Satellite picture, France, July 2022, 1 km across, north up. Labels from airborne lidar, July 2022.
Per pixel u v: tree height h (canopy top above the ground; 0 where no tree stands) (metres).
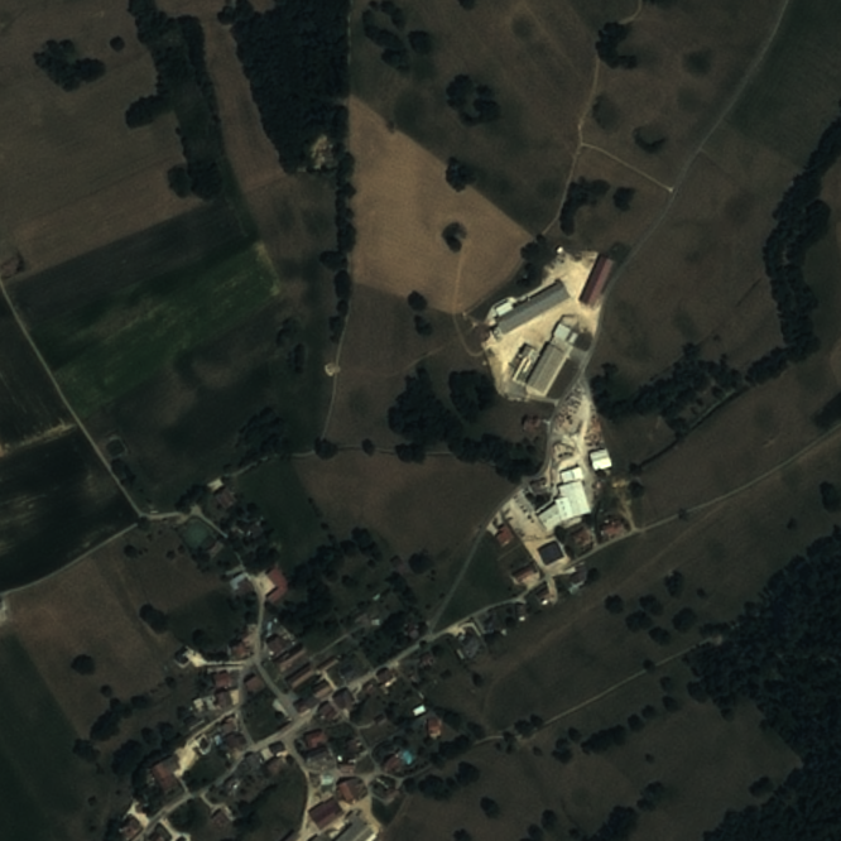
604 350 0
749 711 0
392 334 0
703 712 0
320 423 0
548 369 0
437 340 0
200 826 0
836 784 22
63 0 0
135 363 0
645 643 0
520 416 0
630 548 0
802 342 17
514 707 0
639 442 0
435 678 0
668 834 0
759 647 26
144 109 17
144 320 0
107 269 0
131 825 0
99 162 0
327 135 23
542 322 0
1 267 0
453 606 0
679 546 0
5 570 0
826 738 22
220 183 8
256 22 20
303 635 6
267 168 0
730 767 0
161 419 0
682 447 0
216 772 0
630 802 0
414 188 0
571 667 0
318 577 14
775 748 0
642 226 0
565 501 0
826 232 20
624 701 0
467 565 0
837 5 0
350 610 0
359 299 0
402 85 0
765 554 0
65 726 0
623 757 0
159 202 0
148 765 9
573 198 16
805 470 0
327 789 0
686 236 0
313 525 0
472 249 0
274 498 0
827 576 30
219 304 0
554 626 0
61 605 0
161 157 0
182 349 0
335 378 0
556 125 0
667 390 20
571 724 0
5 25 0
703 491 0
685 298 0
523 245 0
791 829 12
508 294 0
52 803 0
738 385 17
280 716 12
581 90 0
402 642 14
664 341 0
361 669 0
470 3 19
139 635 0
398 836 0
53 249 0
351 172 18
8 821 0
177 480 0
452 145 0
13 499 0
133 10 11
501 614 0
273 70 23
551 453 0
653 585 0
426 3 0
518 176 0
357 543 16
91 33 0
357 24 0
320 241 0
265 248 0
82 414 0
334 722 6
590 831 0
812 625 30
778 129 0
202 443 0
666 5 0
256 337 0
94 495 0
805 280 17
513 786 0
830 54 0
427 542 0
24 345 0
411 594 15
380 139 0
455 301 0
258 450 7
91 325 0
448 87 0
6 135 0
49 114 0
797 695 15
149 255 0
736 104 0
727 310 0
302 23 30
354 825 0
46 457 0
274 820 0
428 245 0
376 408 0
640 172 0
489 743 0
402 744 7
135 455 0
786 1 0
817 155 13
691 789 0
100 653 0
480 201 0
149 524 13
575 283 0
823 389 0
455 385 15
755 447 0
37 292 0
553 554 0
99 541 0
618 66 16
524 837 0
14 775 0
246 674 0
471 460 18
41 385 0
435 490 0
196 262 0
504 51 0
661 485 0
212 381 0
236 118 0
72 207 0
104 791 0
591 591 0
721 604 0
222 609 0
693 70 0
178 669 0
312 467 0
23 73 0
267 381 0
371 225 0
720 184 0
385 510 0
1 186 0
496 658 0
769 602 19
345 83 21
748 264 0
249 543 15
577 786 0
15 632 0
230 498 0
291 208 0
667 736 0
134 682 0
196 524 0
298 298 0
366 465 0
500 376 0
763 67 0
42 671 0
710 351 0
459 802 0
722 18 0
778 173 0
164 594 0
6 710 0
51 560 0
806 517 0
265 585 0
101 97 0
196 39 23
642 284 0
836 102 0
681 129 0
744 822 17
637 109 0
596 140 0
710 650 8
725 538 0
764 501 0
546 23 0
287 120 26
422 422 8
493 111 21
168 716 0
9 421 0
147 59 0
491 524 0
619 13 0
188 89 0
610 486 0
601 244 0
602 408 16
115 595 0
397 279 0
